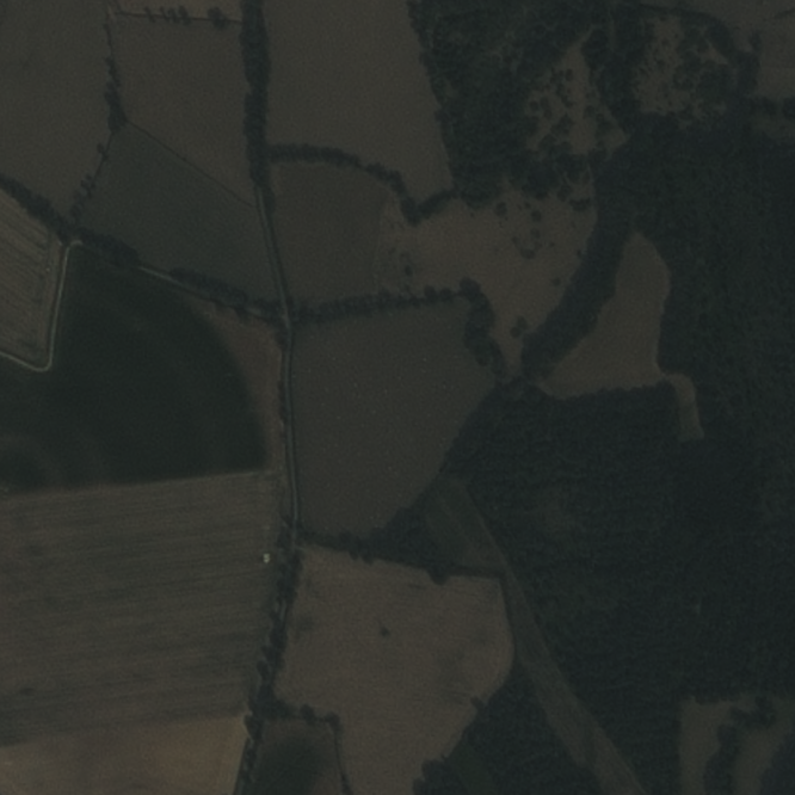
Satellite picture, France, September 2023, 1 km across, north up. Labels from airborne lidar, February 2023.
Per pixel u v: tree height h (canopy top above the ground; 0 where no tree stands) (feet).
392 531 45
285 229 0
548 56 72
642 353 0
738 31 0
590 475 45
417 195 0
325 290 0
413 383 0
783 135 0
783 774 73
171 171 0
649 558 58
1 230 0
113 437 0
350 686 0
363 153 0
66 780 0
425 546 62
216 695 0
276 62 0
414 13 32
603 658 54
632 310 0
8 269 0
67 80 0
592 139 0
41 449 0
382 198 0
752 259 0
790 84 0
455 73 31
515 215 0
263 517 0
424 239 0
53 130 0
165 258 0
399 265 0
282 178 0
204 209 0
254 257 0
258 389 0
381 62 0
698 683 34
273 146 0
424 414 0
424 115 0
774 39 0
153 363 0
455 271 0
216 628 0
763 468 63
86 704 0
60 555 0
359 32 0
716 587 38
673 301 50
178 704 0
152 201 0
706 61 0
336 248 0
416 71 0
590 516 58
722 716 0
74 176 0
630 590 62
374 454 0
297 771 0
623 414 54
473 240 0
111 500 0
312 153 46
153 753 0
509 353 0
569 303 58
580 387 0
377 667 0
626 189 71
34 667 0
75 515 0
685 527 70
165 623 0
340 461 0
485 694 0
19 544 0
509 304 0
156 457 0
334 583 0
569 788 49
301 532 38
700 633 48
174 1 0
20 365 0
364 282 0
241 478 0
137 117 0
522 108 38
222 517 0
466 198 24
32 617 0
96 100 0
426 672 0
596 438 58
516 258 0
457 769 0
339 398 0
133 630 0
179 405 0
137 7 0
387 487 0
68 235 43
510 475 54
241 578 0
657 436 74
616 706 61
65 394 0
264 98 50
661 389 31
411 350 0
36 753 0
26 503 0
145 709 0
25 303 0
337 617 0
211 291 42
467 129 25
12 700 0
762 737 0
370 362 0
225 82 0
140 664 0
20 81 0
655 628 66
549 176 66
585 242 0
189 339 0
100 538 0
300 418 0
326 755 0
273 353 0
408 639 0
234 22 0
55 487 0
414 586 0
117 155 0
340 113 0
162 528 0
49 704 0
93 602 0
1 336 0
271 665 44
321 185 0
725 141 66
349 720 0
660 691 57
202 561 0
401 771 0
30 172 0
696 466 60
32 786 0
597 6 56
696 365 66
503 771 43
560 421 38
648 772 52
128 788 0
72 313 0
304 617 0
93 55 0
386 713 0
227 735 0
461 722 0
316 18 0
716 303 0
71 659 0
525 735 24
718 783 51
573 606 0
